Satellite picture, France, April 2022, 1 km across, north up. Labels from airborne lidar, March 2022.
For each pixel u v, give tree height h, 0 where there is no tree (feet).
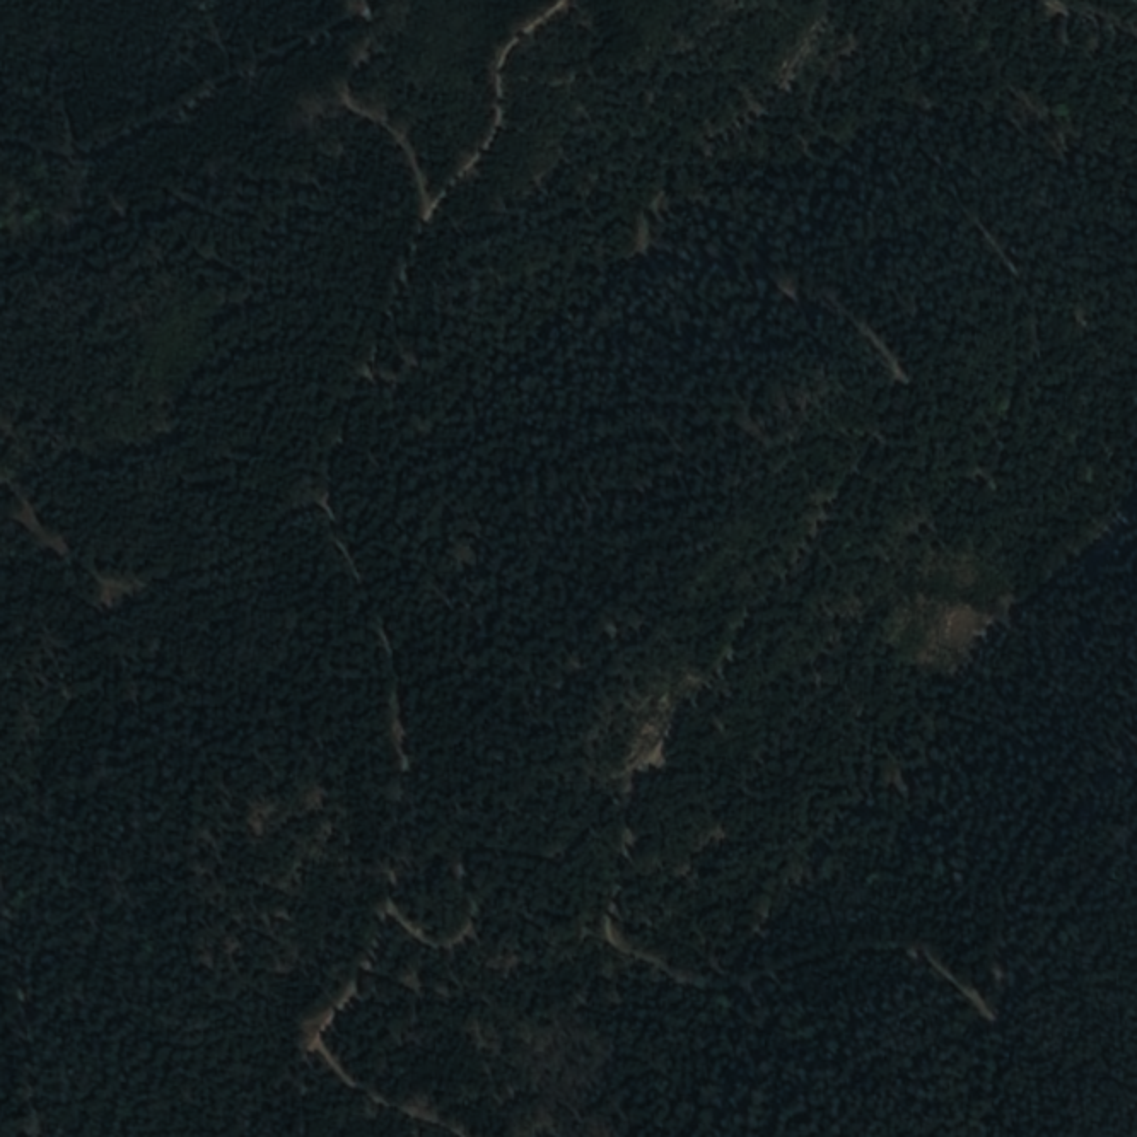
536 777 75
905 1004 111
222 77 50
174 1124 45
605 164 88
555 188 28
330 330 63
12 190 63
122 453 29
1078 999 68
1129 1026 65
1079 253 90
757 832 40
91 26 42
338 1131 23
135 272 75
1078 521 86
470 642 84
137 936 90
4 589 60
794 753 56
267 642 77
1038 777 96
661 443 45
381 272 57
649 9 28
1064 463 72
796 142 112
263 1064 50
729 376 101
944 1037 59
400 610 109
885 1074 88
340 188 62
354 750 74
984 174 105
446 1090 57
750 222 124
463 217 31
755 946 48
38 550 79
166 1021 86
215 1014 49
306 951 37
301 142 51
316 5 45
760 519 68
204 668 73
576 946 60
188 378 35
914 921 37
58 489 79
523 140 33
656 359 81
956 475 52
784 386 91
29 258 26
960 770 115
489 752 70
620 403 54
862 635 73
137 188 75
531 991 39
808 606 110
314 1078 42
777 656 97
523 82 26
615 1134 60
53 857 62
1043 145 123
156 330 40
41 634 37
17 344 67
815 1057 67
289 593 68
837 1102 114
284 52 54
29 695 92
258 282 86
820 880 38
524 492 99
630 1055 77
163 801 82
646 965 32
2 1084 58
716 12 56
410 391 60
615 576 40
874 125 95
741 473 46
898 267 105
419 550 96
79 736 45
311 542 78
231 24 30
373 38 51
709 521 48
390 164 53
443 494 102
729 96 92
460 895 33
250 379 88
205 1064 43
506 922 46
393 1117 31
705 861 30
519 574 98
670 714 31
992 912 63
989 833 73
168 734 72
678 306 103
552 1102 45
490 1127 33
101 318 44
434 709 58
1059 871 86
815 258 115
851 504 92
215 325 35
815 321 26
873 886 24
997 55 58
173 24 33
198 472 92
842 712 96
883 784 125
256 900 22
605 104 25
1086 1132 60
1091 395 104
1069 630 103
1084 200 110
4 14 36
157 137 52
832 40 33
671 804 101
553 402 75
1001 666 101
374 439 77
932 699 115
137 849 86
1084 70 96
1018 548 101
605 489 55
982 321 86
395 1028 79
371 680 69
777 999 68
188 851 47
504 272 93
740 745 49
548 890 97
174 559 82
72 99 62
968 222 97
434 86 38
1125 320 98
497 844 73
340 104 23
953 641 0
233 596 85
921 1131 108
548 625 66
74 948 72
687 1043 72
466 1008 19
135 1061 68
